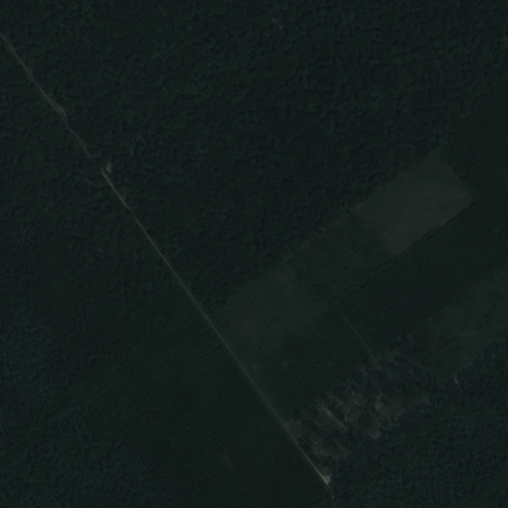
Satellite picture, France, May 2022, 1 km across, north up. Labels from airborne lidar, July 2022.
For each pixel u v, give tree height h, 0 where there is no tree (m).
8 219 30
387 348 7
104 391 15
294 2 33
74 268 22
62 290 23
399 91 28
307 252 0
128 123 30
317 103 28
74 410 11
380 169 28
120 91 30
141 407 13
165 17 28
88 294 22
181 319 9
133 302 25
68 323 23
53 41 30
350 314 8
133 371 16
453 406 26
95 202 30
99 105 28
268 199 28
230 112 26
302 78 30
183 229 27
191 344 10
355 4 32
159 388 18
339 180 28
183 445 20
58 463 30
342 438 30
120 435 16
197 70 29
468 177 19
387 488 24
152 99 29
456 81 30
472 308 0
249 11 28
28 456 16
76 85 28
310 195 26
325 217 27
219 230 27
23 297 20
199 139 31
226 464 15
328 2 30
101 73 29
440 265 9
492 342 0
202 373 9
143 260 27
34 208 27
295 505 7
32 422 19
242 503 19
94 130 30
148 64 30
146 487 28
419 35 32
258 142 30
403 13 27
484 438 25
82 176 28
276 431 6
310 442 26
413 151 22
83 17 31
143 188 30
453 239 8
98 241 33
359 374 8
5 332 26
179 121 29
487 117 20
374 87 30
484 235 10
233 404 10
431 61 25
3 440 21
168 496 19
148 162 29
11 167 32
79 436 13
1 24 28
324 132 31
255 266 23
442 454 29
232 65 30
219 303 28
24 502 23
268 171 30
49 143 33
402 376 28
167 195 29
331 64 25
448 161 18
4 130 29
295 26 28
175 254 22
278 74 31
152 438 17
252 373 0
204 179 27
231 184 27
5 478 29
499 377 9
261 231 28
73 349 23
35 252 16
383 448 27
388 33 24
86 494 31
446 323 0
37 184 27
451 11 31
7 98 26
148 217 29
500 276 0
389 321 9
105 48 31
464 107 30
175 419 16
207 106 24
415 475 28
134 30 30
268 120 30
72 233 28
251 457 7
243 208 29
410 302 9
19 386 26
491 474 10
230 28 30
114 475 19
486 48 33
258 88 28
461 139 20
